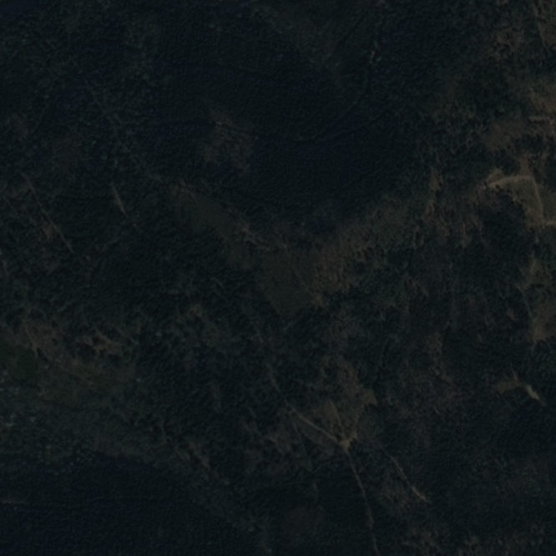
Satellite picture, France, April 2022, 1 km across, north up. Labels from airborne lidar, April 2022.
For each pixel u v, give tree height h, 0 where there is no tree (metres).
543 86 21
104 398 25
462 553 21
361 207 18
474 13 22
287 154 24
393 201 23
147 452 27
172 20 26
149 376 21
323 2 19
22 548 27
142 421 25
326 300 8
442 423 24
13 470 21
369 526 12
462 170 23
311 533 18
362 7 15
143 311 14
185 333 11
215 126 25
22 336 13
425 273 24
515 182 0
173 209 10
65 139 13
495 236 23
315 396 10
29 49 12
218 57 21
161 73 28
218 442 15
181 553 27
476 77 10
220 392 10
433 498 23
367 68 11
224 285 16
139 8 20
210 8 28
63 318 18
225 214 12
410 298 23
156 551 24
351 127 22
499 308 29
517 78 17
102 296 23
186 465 21
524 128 22
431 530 20
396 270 23
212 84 21
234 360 21
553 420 25
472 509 23
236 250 14
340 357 15
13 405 25
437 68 16
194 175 16
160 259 16
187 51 24
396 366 27
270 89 23
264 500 24
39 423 18
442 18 24
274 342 13
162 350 20
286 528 20
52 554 23
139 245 16
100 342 15
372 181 19
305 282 11
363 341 19
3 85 27
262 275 11
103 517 22
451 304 18
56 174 9
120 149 16
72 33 10
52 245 8
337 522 19
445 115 9
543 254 34
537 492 22
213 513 25
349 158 19
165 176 13
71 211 8
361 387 14
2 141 21
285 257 13
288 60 20
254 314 10
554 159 19
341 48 12
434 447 23
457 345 23
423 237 23
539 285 0
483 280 23
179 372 20
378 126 21
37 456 8
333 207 22
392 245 26
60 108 10
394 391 23
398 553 17
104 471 22
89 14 11
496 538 26
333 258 8
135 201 10
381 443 25
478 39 9
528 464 24
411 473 23
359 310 13
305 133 26
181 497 27
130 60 19
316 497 17
